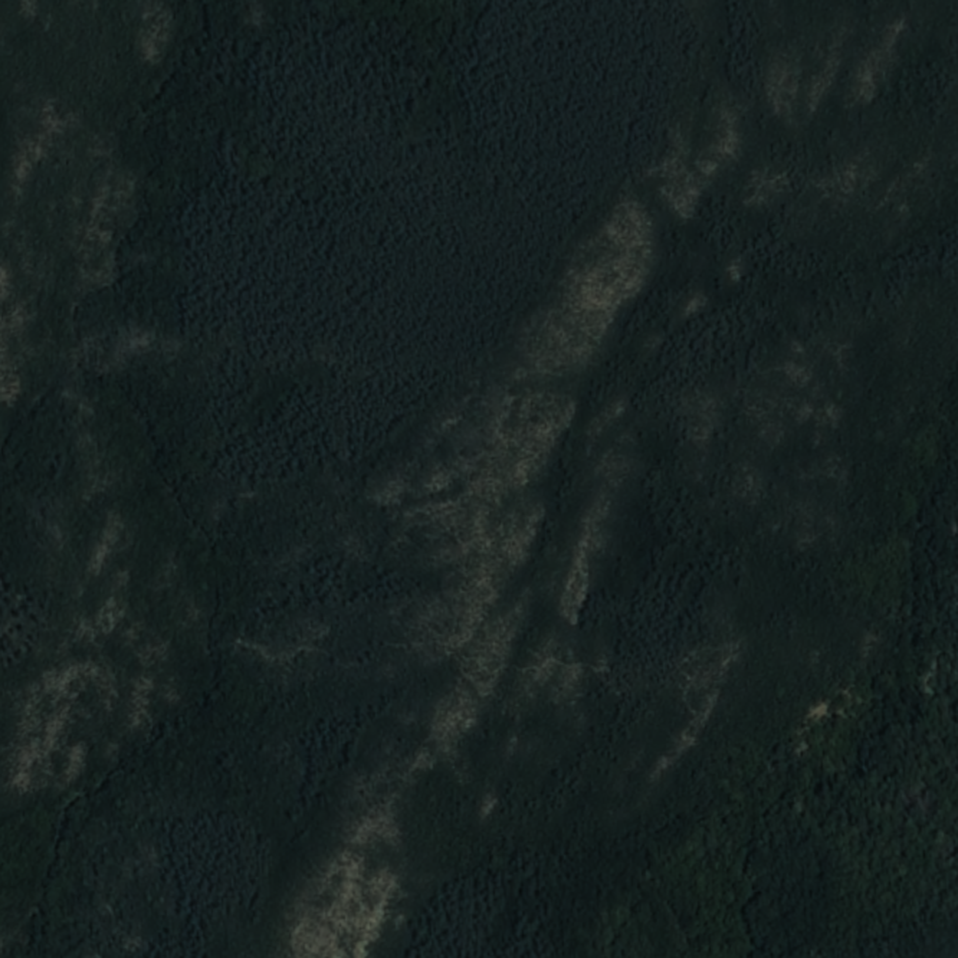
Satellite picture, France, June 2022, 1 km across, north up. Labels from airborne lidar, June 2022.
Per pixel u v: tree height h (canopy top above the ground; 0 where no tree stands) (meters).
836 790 14
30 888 15
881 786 13
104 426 6
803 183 14
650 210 7
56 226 9
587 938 15
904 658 25
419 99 7
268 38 7
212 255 16
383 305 16
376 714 12
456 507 0
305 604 7
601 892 19
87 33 8
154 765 10
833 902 13
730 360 15
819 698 12
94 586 6
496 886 19
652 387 15
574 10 16
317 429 18
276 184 18
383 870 0
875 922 12
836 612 6
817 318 7
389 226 14
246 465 14
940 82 14
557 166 16
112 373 10
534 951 7
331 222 10
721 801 10
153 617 8
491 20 19
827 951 15
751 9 15
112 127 9
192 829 13
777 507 8
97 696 5
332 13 13
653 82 15
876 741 18
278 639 6
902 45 7
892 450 7
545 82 17
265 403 11
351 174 15
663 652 14
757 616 8
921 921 14
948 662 9
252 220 17
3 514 12
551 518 6
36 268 9
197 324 15
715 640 10
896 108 7
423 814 6
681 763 7
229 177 20
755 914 20
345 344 12
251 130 7
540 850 8
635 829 9
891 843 14
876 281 6
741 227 6
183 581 5
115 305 6
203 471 12
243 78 7
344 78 15
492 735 16
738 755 9
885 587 15
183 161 10
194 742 11
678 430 14
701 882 18
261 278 18
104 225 10
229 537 12
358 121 14
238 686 19
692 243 6
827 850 15
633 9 18
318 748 15
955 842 14
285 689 7
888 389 8
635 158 13
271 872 6
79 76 7
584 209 19
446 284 15
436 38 16
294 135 18
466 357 16
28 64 9
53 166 7
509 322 17
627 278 0
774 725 12
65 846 17
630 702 13
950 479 14
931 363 8
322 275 14
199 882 17
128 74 9
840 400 6
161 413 18
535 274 18
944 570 17
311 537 8
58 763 5
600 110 17
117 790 13
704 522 7
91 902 7
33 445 16
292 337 13
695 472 6
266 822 6
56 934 9
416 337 13
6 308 8
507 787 8
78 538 9
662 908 15
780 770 21
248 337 11
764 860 18
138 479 9
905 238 7
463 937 20
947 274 15
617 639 6
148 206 16
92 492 5
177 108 14
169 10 6
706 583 19
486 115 17
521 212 15
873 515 8
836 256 8
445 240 14
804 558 11
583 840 9
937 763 16
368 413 14
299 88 17
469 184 6
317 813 6
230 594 18
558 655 8
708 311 7
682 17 12
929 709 17
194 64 16
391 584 17
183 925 6
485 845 7
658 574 17
